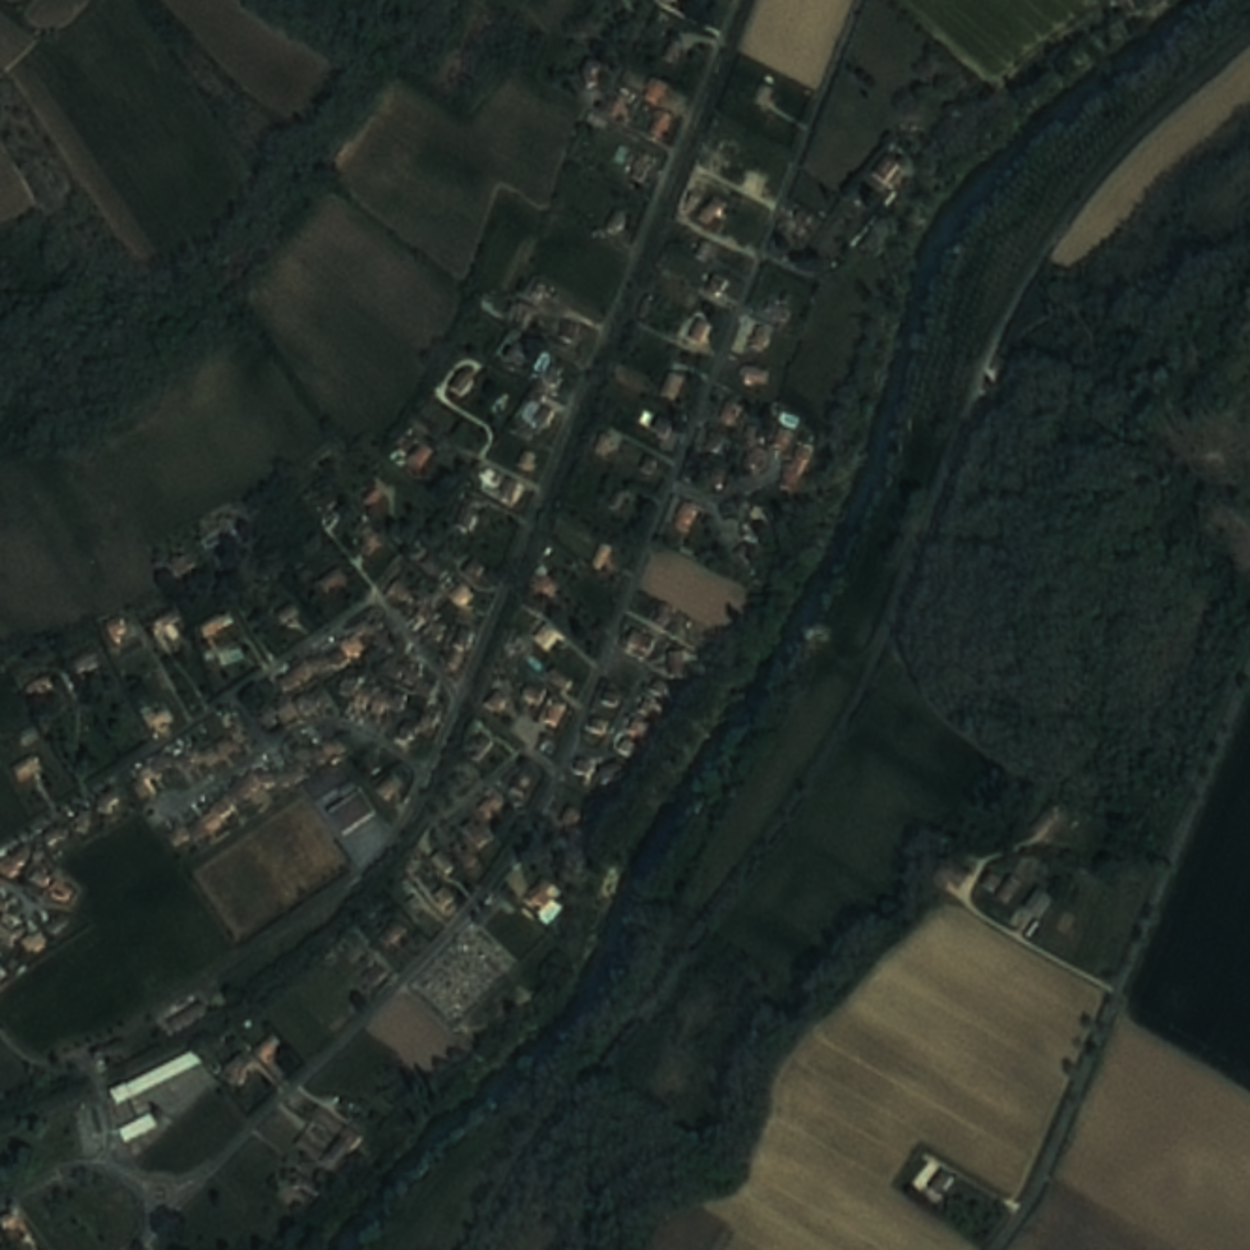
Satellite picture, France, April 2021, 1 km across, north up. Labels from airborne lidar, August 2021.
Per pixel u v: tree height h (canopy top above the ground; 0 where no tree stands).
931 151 20
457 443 12
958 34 0
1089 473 22
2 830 0
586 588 0
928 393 18
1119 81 9
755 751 20
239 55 0
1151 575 17
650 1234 13
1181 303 20
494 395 11
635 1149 21
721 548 9
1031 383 25
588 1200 22
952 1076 0
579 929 15
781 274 0
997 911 0
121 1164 0
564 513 10
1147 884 0
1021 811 15
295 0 17
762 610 17
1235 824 0
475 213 0
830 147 0
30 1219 0
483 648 0
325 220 0
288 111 0
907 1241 0
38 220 12
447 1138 7
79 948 0
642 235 0
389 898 6
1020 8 0
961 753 0
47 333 18
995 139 10
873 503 6
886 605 0
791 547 21
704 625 0
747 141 0
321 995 0
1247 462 7
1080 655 17
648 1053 7
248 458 0
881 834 0
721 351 0
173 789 0
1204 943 0
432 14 22
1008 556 16
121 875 0
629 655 0
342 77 15
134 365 22
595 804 12
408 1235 0
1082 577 16
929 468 0
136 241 0
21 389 17
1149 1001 0
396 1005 0
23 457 6
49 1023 0
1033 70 10
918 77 10
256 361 0
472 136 0
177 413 0
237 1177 0
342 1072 0
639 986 22
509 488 0
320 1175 8
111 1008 0
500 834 14
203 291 28
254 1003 9
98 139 0
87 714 8
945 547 16
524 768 13
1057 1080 0
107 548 0
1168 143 0
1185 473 11
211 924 0
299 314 0
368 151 0
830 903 0
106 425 17
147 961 0
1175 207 6
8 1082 0
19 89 8
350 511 13
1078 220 0
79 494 0
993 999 0
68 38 0
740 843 0
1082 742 12
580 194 0
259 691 5
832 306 0
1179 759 18
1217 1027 0
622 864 20
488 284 0
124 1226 0
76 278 11
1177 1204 0
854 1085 0
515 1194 12
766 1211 0
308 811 0
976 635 22
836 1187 0
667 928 24
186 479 0
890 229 26
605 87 9
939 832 10
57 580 0
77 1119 0
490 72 23
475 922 8
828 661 0
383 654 6
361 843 0
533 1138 15
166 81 0
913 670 15
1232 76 0
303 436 0
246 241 21
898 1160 0
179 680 9
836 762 0
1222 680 10
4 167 0
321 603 10
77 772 7
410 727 0
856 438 21
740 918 0
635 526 12
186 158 0
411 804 0
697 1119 0
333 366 0
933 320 20
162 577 10
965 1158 0
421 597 0
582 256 0
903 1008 0
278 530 9
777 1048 17
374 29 19
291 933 0
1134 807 8
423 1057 0
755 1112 17
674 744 33
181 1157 0
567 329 0
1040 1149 0
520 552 0
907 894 11
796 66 0
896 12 9
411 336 0
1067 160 20
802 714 0
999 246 17
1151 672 11
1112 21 17
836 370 0
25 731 0
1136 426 14
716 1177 18
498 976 0
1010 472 17
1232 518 0
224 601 12
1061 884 6
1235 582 14
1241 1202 0
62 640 13
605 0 21
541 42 11
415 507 10
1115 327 12
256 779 0
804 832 0
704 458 6
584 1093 21
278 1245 12
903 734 0
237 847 0
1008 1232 0
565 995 19
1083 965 0
